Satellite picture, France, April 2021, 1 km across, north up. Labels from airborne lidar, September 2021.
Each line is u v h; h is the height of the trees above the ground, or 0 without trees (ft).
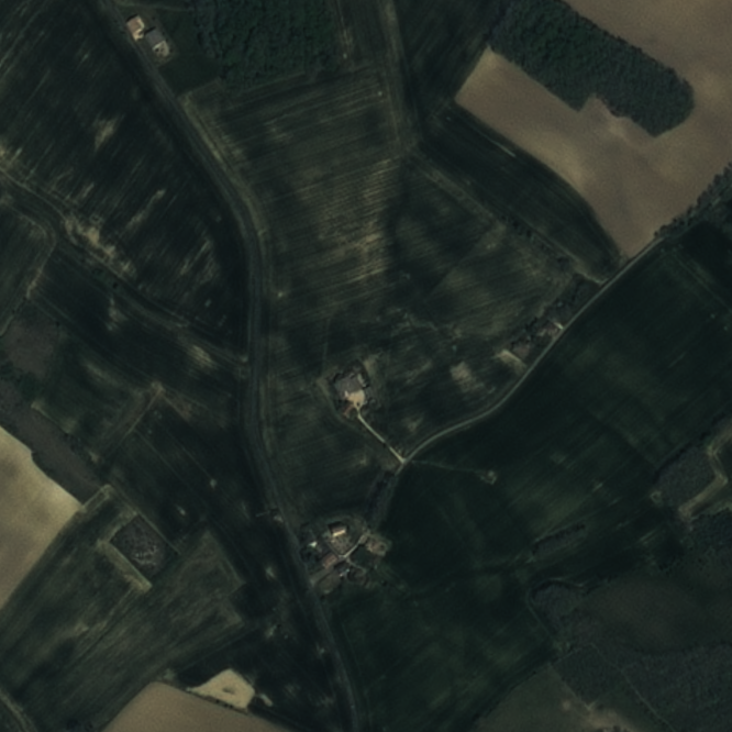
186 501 0
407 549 0
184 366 0
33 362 0
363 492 0
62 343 0
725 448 0
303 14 77
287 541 0
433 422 0
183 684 0
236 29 76
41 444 0
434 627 0
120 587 0
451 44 0
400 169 0
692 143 0
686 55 0
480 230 0
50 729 0
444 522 0
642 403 0
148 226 0
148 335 0
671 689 63
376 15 0
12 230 0
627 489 0
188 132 0
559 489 0
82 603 0
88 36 0
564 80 61
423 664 0
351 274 0
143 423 0
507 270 0
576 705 0
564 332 0
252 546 0
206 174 0
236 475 0
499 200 0
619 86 67
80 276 0
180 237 0
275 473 0
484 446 0
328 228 0
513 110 0
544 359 0
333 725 0
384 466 0
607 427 0
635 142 0
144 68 0
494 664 0
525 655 0
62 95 0
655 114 62
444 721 0
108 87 0
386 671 0
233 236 0
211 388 0
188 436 0
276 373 0
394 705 0
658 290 0
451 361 0
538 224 0
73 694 0
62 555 0
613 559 0
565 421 0
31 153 0
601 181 0
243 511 0
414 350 0
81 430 0
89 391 0
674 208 0
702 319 0
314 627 0
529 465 0
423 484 0
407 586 0
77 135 0
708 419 0
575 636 60
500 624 0
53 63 0
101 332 0
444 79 0
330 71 52
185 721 0
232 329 0
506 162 0
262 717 0
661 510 0
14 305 0
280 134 0
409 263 0
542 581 0
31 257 0
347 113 0
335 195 0
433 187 0
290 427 0
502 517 0
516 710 0
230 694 0
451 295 0
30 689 0
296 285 0
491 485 0
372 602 0
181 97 0
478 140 0
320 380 0
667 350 0
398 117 0
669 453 0
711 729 69
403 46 0
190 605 0
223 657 0
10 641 0
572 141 0
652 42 0
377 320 0
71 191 0
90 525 0
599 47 65
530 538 0
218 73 0
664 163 0
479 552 0
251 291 0
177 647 0
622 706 0
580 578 0
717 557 43
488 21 0
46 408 0
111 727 0
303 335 0
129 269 0
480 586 0
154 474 0
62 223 0
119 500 0
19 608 0
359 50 0
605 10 0
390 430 0
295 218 0
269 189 0
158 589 0
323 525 0
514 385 0
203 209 0
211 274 0
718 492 0
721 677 62
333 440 0
